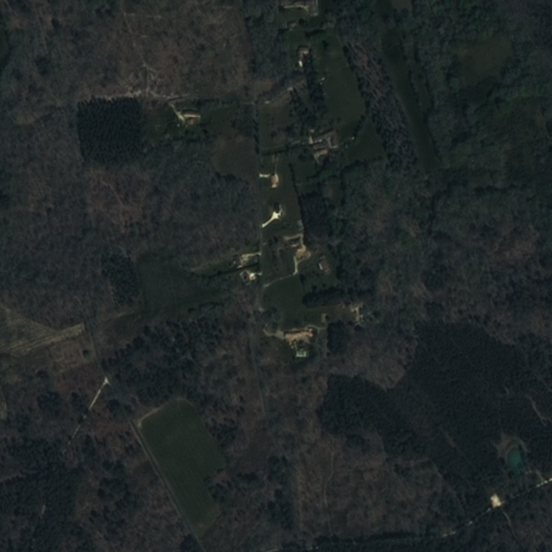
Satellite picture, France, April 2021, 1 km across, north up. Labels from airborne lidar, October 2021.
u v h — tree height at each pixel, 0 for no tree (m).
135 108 18
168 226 12
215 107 10
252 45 19
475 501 19
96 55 22
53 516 24
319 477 19
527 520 21
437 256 18
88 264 13
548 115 21
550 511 11
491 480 19
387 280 21
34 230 11
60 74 24
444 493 14
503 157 15
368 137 0
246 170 0
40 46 19
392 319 18
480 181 0
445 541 17
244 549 15
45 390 10
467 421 14
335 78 0
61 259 9
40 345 0
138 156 18
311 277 9
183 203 17
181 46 17
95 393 8
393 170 13
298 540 18
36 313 13
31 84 21
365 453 13
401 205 22
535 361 20
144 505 13
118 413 25
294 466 17
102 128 17
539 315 12
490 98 10
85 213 16
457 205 23
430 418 11
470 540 10
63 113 15
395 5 0
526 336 8
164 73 0
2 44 0
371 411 18
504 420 11
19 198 17
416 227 12
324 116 17
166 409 0
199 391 18
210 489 11
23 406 8
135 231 9
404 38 6
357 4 22
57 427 10
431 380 15
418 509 15
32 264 13
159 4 23
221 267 0
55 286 7
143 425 0
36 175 20
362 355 22
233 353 22
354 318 0
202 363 8
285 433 19
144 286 11
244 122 7
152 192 8
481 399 12
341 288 9
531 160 0
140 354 24
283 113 0
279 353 0
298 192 8
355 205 22
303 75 11
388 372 20
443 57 18
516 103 6
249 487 21
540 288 18
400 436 20
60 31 26
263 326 20
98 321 18
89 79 24
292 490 20
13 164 17
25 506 22
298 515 22
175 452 0
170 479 0
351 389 16
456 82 17
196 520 0
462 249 20
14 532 13
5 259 13
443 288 27
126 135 18
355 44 16
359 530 0
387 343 14
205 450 0
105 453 8
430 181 8
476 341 13
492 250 11
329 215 16
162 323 6
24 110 18
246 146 0
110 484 9
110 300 16
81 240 8
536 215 23
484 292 9
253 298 9
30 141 11
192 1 25
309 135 8
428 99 0
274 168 0
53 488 26
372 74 22
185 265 14
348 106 0
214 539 6
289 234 0
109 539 12
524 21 19
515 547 12
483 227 17
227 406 11
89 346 18
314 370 22
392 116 20
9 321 0
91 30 21
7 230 19
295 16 0
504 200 24
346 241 19
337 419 17
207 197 13
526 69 19
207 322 16
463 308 11
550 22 20
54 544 26
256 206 20
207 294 7
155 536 15
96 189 7
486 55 0
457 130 6
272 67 27
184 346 20
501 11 23
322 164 8
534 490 16
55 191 20
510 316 16
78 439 7
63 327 11
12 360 15
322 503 17
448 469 10
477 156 23
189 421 0
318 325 0
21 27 12
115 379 9
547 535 11
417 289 26
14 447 8
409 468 15
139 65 0
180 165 17
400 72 0
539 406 13
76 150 17
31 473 20
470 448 12
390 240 0
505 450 0
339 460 7
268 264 0
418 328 16
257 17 18
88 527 11
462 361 16
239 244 20
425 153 0
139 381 25
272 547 16
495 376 15
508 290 23
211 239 14
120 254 19
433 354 15
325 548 22
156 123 0
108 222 10
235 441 15
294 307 0
